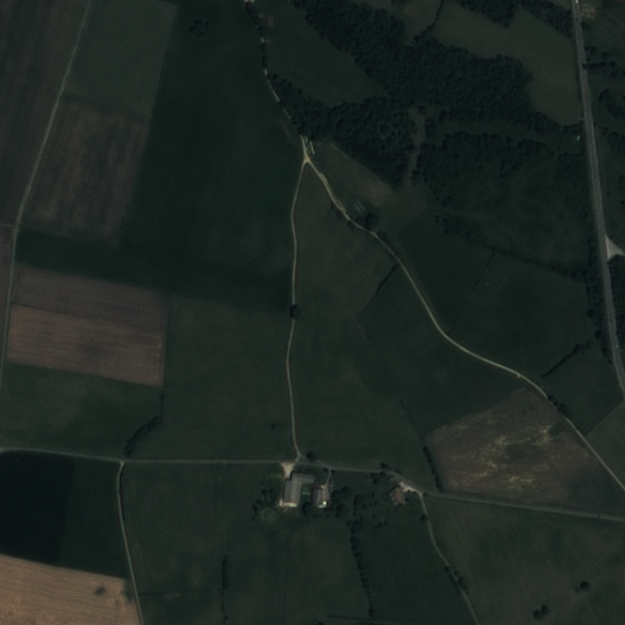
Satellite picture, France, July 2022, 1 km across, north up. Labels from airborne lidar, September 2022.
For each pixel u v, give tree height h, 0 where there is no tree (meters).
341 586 0
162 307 0
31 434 0
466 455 0
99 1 0
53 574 0
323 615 0
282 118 0
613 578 0
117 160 0
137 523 0
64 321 0
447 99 7
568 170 10
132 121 0
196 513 0
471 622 0
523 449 0
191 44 0
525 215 0
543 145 13
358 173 0
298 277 0
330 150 0
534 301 0
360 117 12
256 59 0
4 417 0
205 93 0
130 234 0
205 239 0
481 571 0
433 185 11
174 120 0
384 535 0
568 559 0
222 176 0
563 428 0
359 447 0
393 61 21
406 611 0
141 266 0
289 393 0
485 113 16
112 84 0
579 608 0
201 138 0
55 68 0
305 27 0
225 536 0
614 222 0
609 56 16
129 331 0
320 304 0
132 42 0
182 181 0
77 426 0
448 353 0
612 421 0
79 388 0
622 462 0
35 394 0
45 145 0
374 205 0
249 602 0
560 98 0
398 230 0
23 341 0
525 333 0
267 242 0
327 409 0
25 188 0
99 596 0
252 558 0
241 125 0
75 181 0
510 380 0
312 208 0
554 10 17
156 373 0
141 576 0
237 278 0
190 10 0
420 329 0
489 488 0
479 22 0
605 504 0
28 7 0
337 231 0
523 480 0
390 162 15
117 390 0
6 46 0
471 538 0
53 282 0
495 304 0
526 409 0
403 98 17
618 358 0
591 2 0
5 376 0
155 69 0
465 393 0
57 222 0
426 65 17
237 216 0
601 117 0
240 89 0
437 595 0
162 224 0
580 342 0
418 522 0
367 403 0
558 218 0
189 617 0
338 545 0
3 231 0
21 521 0
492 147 17
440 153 18
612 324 0
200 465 0
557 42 0
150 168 0
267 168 0
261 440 0
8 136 0
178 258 0
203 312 0
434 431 0
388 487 0
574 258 0
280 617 0
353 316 0
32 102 0
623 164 0
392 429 0
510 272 0
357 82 0
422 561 0
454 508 0
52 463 0
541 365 0
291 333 0
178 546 0
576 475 0
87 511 0
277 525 0
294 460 0
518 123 15
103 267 0
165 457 0
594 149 0
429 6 0
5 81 0
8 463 0
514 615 0
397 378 0
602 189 0
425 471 0
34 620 0
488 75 20
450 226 16
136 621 0
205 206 0
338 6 24
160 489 0
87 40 0
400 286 0
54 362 0
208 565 0
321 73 0
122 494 7
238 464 0
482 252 0
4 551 0
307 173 0
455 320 0
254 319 0
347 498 9
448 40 0
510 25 15
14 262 0
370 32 21
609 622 0
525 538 0
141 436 8
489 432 0
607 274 0
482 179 0
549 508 0
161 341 0
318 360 0
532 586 0
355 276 0
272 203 0
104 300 0
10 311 0
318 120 26
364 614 0
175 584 0
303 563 0
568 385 0
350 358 0
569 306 0
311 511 16
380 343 0
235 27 0
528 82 19
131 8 0
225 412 0
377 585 0
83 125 0
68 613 0
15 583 0
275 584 0
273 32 0
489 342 0
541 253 0
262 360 0
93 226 0
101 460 0
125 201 0
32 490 0
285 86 13
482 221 0
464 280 0
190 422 0
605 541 0
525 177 0
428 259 0
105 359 0
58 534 0
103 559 0
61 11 0
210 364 0
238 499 0
